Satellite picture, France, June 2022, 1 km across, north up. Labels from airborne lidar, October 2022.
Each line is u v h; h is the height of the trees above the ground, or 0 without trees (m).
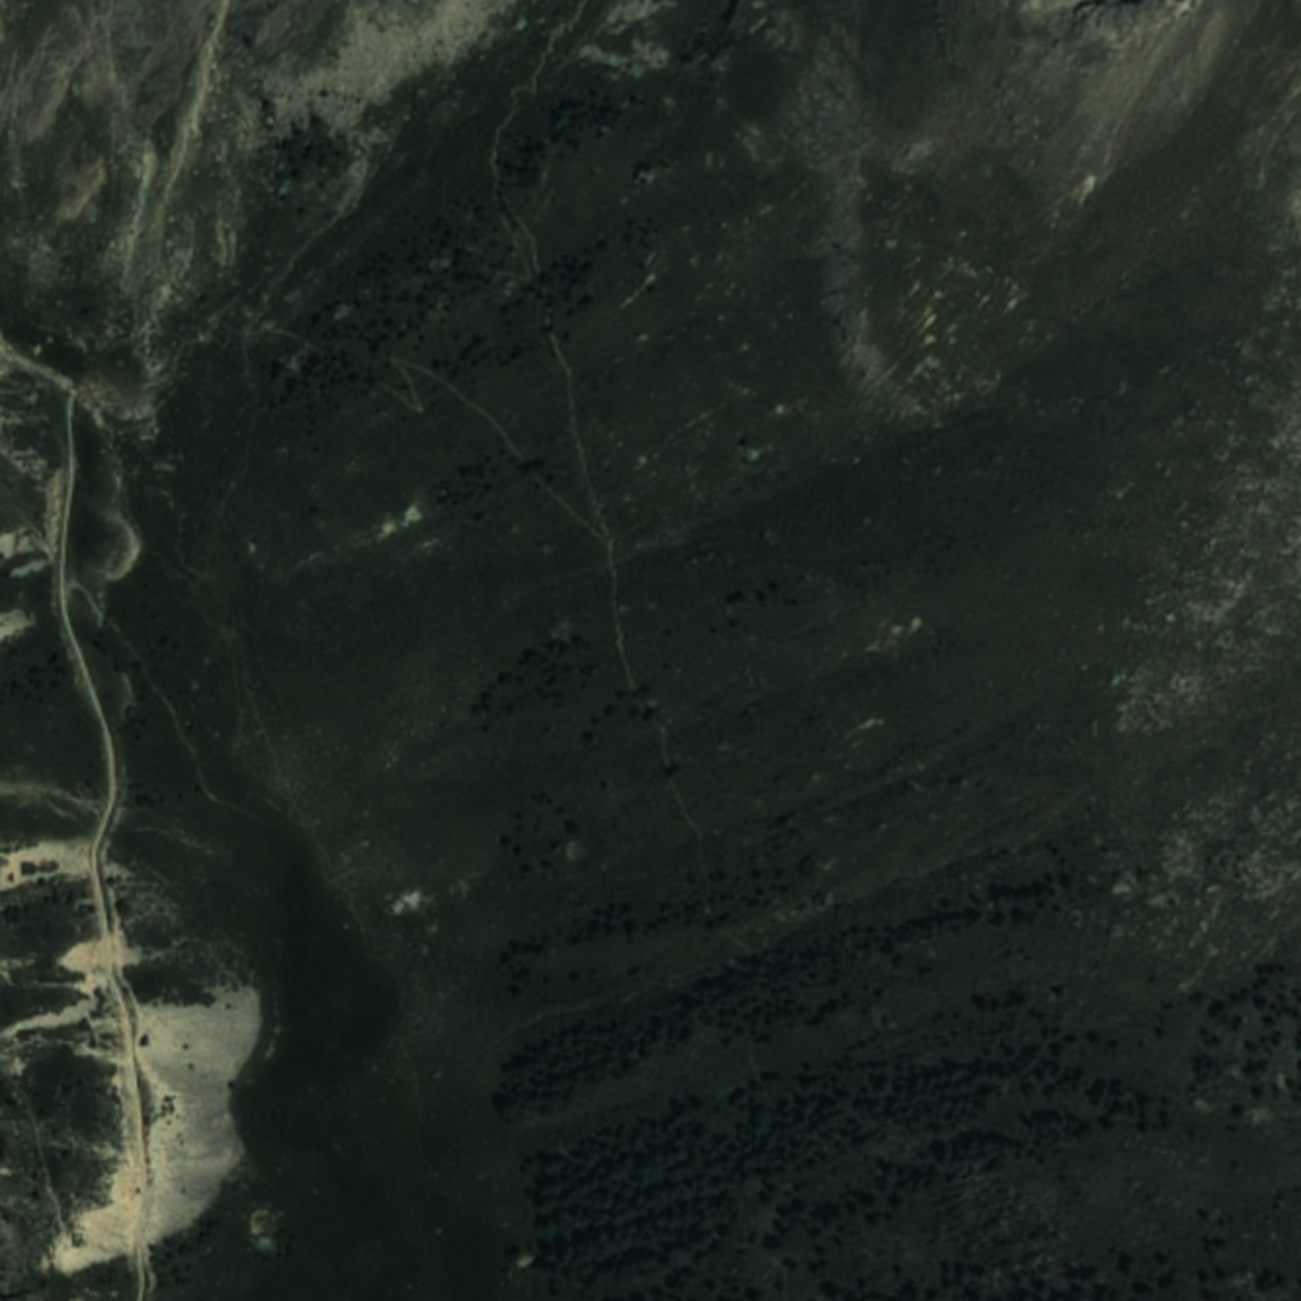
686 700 0
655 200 0
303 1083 0
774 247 0
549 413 0
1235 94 0
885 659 0
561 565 0
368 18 0
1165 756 0
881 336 0
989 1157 19
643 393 0
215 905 0
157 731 0
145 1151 0
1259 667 0
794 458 0
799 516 0
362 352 0
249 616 0
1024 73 0
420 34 0
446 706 0
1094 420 0
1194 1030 0
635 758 0
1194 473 0
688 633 0
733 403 0
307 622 0
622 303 0
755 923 0
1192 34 0
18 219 0
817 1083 15
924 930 14
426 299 13
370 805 0
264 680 0
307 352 0
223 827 0
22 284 0
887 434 0
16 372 0
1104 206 0
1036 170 0
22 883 0
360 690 0
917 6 0
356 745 0
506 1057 0
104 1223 0
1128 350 0
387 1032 0
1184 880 0
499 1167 0
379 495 0
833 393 0
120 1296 0
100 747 0
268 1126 0
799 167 0
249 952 0
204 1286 0
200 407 0
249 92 0
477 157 0
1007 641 0
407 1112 0
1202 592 0
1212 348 0
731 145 0
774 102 0
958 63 0
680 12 0
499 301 0
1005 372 0
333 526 0
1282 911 0
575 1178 13
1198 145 0
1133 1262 20
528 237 0
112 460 0
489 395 0
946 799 0
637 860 0
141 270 0
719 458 0
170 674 0
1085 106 0
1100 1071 0
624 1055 7
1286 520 0
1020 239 0
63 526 0
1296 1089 13
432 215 0
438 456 0
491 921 0
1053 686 0
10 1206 0
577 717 0
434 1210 0
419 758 0
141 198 0
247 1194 0
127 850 0
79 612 0
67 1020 0
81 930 0
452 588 0
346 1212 0
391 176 0
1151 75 0
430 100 0
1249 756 0
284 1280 0
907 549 0
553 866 9
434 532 0
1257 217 0
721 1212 19
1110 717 0
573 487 0
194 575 0
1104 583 0
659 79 0
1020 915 12
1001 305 0
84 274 0
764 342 0
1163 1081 0
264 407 7
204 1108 0
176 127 0
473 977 0
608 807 0
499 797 0
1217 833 0
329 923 0
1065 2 0
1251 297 0
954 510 0
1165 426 0
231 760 0
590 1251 30
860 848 0
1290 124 0
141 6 0
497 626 0
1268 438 0
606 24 0
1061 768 0
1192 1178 0
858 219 0
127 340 0
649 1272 27
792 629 0
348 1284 0
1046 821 0
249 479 0
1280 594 0
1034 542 0
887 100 0
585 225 0
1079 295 0
